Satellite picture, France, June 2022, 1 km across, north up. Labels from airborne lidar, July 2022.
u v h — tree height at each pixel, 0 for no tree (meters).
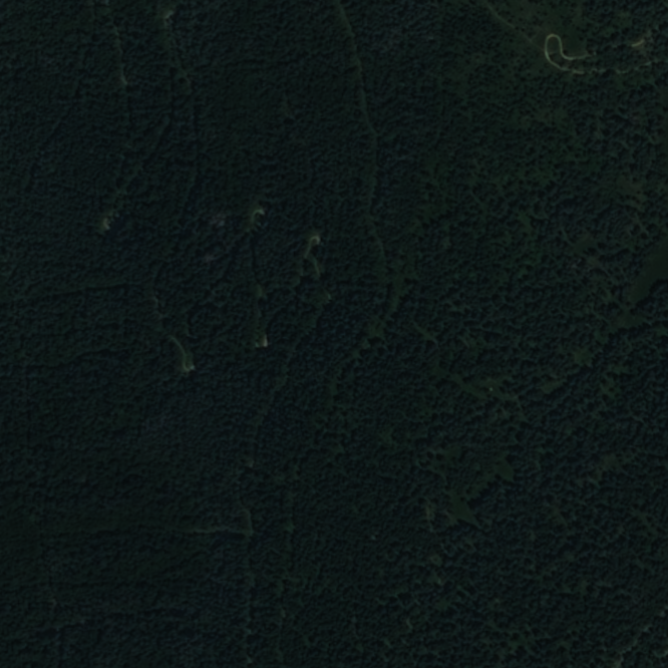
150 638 19
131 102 14
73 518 17
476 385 13
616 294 28
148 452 16
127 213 12
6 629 16
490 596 18
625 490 22
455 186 20
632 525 25
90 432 26
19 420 23
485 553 17
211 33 24
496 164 7
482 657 16
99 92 18
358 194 11
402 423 11
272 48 18
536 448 32
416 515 19
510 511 31
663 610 15
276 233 30
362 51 18
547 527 13
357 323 23
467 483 18
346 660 19
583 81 7
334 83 16
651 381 21
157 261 20
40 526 16
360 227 15
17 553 16
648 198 10
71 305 24
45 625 12
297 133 24
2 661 24
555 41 0
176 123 20
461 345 28
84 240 24
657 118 25
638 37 17
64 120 16
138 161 16
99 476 24
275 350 13
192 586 26
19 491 14
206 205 28
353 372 27
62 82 16
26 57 19
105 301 22
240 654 20
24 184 17
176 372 30
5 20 12
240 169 24
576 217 30
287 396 10
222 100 20
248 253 29
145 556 19
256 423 20
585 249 0
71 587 13
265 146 15
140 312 25
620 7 19
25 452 18
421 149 18
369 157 13
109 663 21
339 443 10
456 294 24
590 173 13
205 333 23
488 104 8
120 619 20
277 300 27
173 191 16
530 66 13
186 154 22
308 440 20
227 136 18
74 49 18
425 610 24
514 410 26
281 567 6
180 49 15
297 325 8
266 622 21
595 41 12
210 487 13
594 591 24
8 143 20
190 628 15
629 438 9
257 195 22
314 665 15
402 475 25
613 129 25
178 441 21
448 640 18
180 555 13
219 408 24
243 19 23
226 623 17
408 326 25
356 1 10
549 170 9
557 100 7
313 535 23
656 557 22
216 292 14
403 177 18
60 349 26
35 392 18
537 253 7
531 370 18
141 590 17
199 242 20
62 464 18
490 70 18
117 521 14
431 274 16
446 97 12
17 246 16
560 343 23
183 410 21
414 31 23
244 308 19
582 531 31
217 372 28
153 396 22
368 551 16
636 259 23
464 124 11
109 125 22
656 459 26
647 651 14
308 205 22
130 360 21
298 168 25
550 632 12
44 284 15
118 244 30
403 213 14
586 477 25
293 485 16
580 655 18
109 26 23
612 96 19
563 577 17
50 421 23
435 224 23
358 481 11
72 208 28
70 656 29
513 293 27
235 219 13
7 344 19
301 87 20
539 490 28
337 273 16
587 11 9
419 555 27
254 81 11
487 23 13
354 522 14
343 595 10
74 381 19
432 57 14
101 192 24
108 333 27
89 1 23
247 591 28
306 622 7
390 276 9
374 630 24
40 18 12
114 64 13
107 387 18
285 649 17
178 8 10
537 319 14
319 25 14
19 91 25
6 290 16
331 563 20
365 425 14
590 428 16
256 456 14
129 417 16
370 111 9
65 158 18
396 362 20
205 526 16
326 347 16
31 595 18
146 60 17
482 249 16
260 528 18
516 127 12
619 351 19
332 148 17
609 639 27
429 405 16
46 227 22
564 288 18
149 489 23
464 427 25
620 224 27
